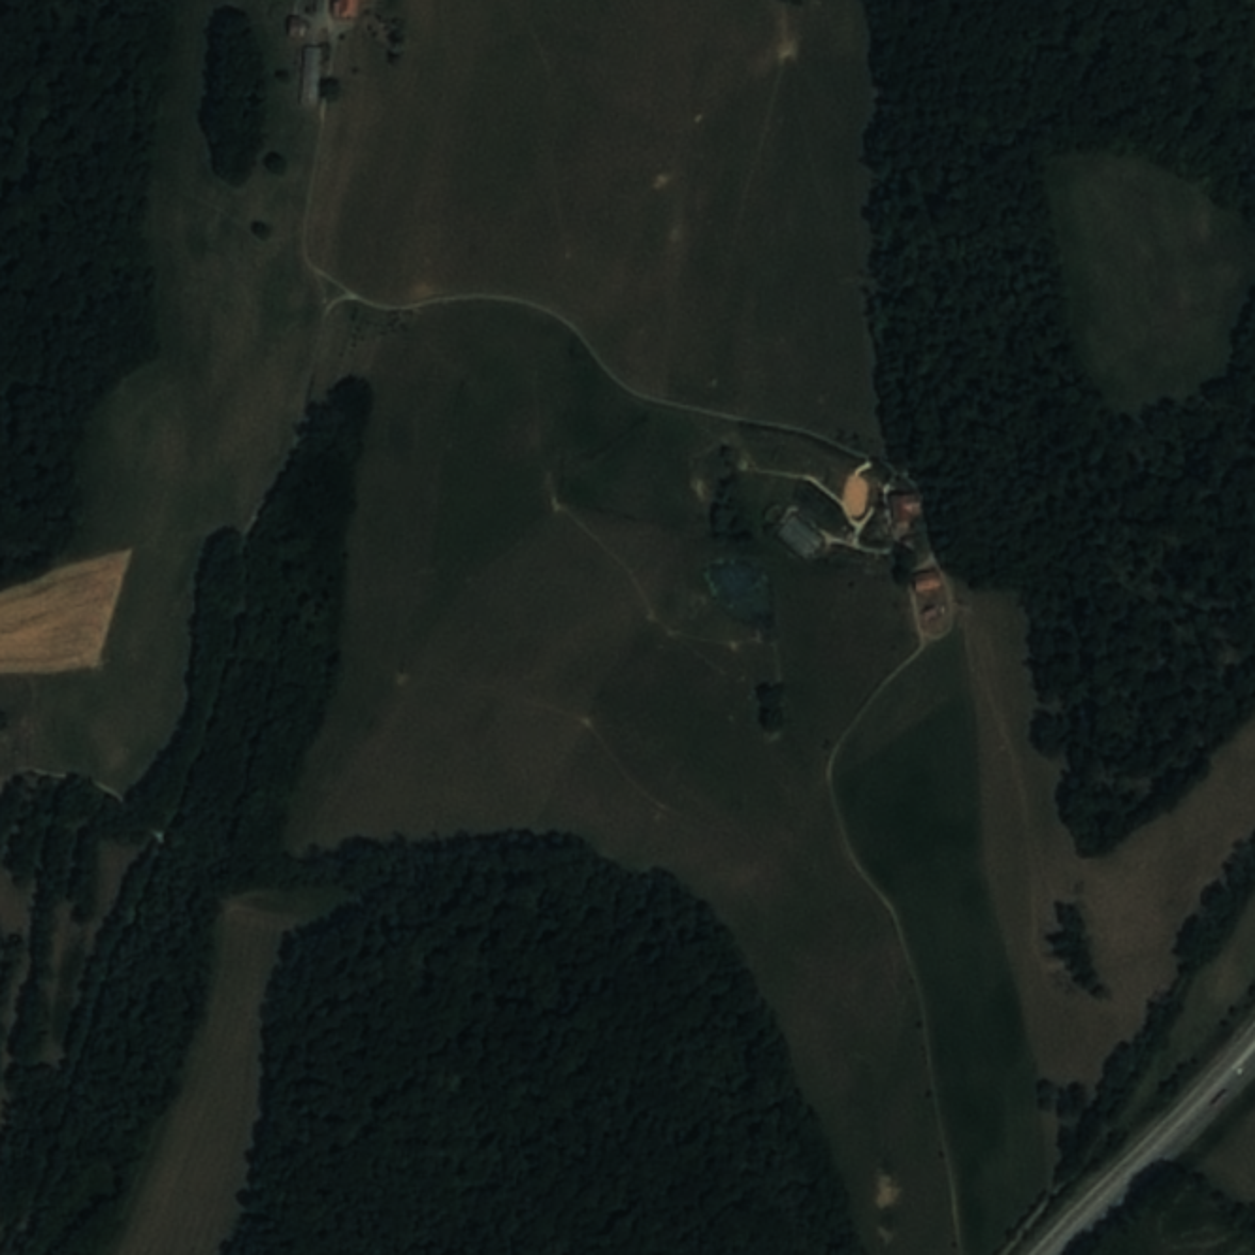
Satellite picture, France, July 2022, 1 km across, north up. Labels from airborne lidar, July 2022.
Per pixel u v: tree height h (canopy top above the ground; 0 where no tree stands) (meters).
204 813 13
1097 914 0
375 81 0
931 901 0
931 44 16
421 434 0
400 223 0
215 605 15
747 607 0
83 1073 14
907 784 0
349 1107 23
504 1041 21
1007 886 0
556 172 0
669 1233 19
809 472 0
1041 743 19
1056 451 17
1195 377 0
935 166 24
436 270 0
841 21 0
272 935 0
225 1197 0
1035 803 0
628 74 0
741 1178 16
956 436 23
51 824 12
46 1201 19
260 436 0
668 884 21
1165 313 0
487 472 0
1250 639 23
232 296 0
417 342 0
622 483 0
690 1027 9
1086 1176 8
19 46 22
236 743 9
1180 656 27
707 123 0
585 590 0
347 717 0
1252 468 23
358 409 19
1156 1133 0
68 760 0
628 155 0
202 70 0
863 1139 0
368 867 31
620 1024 20
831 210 0
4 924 0
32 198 27
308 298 0
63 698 0
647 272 0
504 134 0
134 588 0
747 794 0
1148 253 0
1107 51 8
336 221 0
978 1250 0
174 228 0
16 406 20
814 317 0
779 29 0
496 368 0
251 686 11
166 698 0
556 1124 12
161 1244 0
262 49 10
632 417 0
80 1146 19
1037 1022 0
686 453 0
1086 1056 0
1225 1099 0
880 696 0
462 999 25
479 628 0
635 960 23
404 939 26
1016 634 0
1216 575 27
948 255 16
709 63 0
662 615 0
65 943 0
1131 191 0
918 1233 0
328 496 11
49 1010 14
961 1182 0
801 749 0
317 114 0
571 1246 12
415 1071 17
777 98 0
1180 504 28
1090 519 17
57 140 20
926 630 0
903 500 0
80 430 17
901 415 8
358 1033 19
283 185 0
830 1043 0
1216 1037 0
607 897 32
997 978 0
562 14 0
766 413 0
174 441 0
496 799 0
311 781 0
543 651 0
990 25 19
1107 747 25
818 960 0
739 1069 8
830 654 0
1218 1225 0
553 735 0
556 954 20
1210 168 20
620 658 0
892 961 0
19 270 24
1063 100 22
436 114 0
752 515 0
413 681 0
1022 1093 0
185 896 22
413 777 0
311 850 0
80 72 23
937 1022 0
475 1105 20
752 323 0
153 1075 19
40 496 25
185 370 0
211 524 0
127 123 19
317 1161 25
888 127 21
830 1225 19
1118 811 22
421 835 0
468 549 0
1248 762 0
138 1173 11
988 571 11
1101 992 14
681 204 0
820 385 0
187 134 0
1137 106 17
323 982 25
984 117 20
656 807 0
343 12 0
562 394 0
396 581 0
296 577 23
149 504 0
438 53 0
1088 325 0
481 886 27
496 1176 17
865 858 0
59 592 0
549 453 0
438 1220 20
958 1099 0
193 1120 0
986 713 0
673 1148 23
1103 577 18
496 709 0
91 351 22
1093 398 23
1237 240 0
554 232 0
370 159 0
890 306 22
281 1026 21
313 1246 24
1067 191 0
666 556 0
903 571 14
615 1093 23
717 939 25
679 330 0
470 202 0
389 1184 20
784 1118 26
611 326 0
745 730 0
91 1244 23
